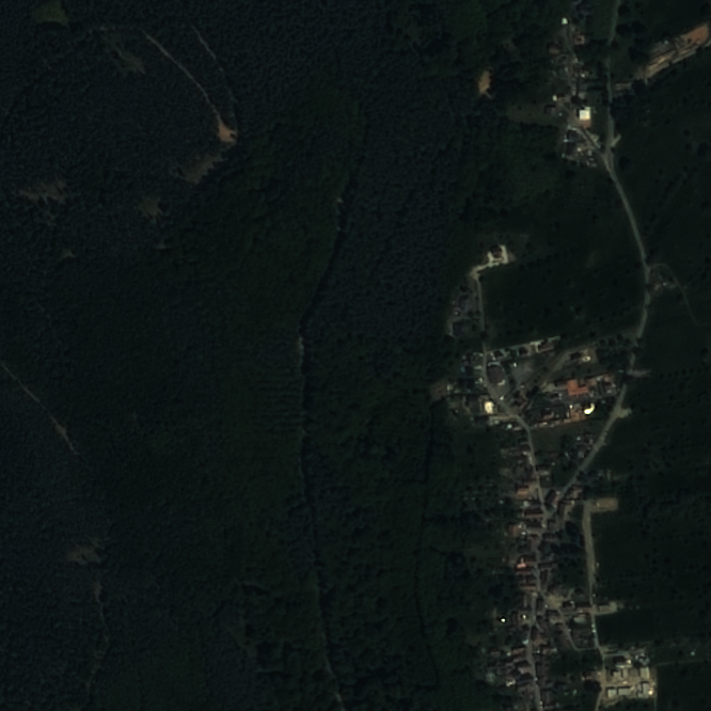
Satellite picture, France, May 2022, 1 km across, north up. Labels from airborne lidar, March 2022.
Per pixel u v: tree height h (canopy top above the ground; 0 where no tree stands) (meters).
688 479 0
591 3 18
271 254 19
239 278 20
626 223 0
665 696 0
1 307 16
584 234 0
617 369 9
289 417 18
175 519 14
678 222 0
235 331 18
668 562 8
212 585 21
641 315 0
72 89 22
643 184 0
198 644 17
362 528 31
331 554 34
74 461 17
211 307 19
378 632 32
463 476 0
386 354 27
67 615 17
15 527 21
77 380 19
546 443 0
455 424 0
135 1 29
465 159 32
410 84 23
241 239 27
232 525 17
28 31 17
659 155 0
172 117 22
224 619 21
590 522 0
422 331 25
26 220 22
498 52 20
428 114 27
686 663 0
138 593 17
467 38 27
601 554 0
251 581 31
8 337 16
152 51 22
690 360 0
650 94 15
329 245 16
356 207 24
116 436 19
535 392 10
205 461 16
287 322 19
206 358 19
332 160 14
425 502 20
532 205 0
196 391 18
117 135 21
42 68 19
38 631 15
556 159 16
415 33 0
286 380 22
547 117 0
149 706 18
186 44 22
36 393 16
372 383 30
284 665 30
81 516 17
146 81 22
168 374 14
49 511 12
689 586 0
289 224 17
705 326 0
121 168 18
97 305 16
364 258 24
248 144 20
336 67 28
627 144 0
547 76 0
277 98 27
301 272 18
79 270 16
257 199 24
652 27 0
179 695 17
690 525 0
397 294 27
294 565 28
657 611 0
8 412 12
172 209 21
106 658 13
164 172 24
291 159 15
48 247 17
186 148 23
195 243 24
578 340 0
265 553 25
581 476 9
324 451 27
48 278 19
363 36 27
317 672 27
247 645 7
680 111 0
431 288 25
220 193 29
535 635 0
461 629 20
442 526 28
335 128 14
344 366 22
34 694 16
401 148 27
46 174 20
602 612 0
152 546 17
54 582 17
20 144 18
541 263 8
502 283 0
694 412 0
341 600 33
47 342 19
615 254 0
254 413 19
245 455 20
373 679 28
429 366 26
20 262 17
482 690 17
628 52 0
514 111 0
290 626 31
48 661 15
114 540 16
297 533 28
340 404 30
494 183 25
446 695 22
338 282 26
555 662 0
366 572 33
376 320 29
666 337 0
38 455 14
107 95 23
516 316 0
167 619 17
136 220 19
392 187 24
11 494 19
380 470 25
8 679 15
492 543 0
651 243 0
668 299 0
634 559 0
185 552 14
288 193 21
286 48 26
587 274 0
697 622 0
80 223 19
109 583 16
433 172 31
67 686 16
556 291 0
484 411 0
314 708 36
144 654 19
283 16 28
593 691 22
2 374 12
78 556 0
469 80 18
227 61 29
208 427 16
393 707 35
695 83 0
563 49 0
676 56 0
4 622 17
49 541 16
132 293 17
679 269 0
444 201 24
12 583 14
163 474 17
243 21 23
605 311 0
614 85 0
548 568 0
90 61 20
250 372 20
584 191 0
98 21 23
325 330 26
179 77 23
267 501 19
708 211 12
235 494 15
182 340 19
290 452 22
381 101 29
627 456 0
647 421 0
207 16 28
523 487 0
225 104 23
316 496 28
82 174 18
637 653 0
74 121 21
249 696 25
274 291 18
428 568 23
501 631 0
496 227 0
